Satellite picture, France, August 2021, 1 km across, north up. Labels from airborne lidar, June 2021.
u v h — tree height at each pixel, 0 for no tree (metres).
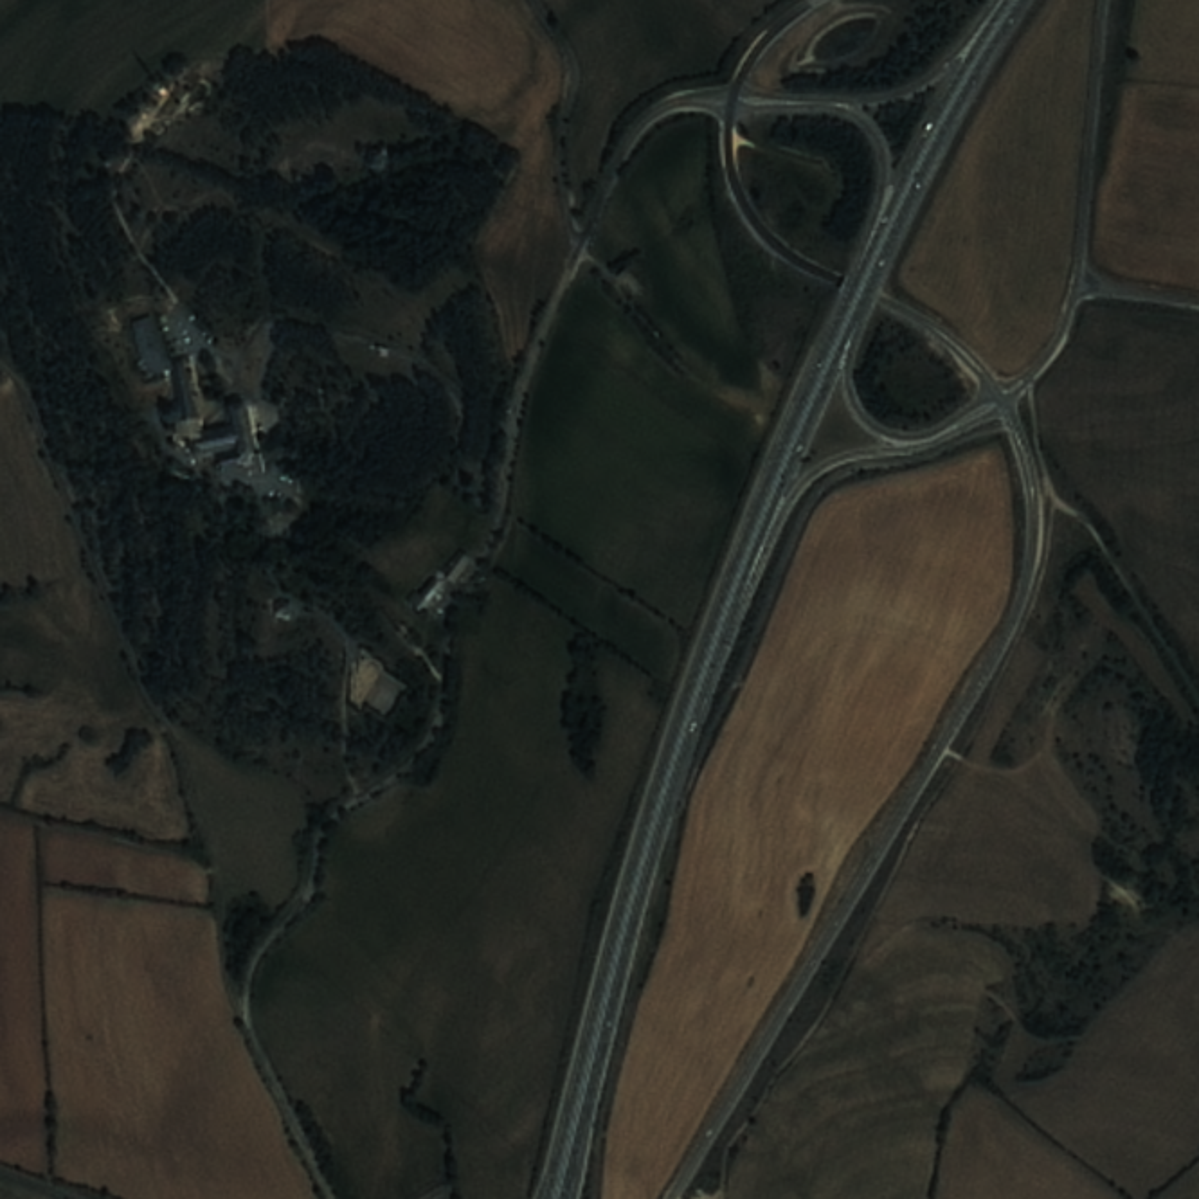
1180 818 9
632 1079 0
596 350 0
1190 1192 0
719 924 0
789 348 0
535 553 0
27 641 0
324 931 0
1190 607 0
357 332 0
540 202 0
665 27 0
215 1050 0
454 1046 0
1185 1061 0
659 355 9
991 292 0
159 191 0
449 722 10
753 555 0
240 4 0
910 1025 0
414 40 0
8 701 0
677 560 0
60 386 16
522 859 0
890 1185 0
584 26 0
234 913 7
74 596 0
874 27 0
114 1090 0
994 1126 0
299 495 0
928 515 0
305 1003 0
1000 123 0
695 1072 0
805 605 0
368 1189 0
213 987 0
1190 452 0
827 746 0
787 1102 0
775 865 0
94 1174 0
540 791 0
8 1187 0
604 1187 0
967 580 0
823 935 0
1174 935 0
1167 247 0
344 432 19
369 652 9
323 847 9
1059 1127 0
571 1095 0
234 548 13
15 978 0
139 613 18
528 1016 0
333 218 25
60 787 0
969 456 0
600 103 0
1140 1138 0
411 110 13
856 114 0
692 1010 0
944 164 0
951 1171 0
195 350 0
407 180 6
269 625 0
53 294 17
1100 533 8
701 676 0
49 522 0
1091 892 0
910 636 0
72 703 0
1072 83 0
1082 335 0
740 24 0
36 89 0
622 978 0
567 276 0
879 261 0
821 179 0
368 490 19
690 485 0
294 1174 0
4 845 0
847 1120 0
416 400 17
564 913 0
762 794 0
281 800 0
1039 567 0
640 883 0
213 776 0
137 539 19
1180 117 0
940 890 0
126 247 12
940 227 0
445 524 0
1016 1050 0
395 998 0
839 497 0
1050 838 0
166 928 0
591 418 0
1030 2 0
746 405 0
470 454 19
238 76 12
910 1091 0
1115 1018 0
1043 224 0
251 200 15
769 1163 0
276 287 16
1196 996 0
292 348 17
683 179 0
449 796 0
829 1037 0
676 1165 0
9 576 0
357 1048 0
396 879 0
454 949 0
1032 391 0
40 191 16
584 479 0
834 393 0
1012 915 0
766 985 0
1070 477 0
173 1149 0
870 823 0
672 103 0
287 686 15
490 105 0
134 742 11
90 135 16
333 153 0
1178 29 0
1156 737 7
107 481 18
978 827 0
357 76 15
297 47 12
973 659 0
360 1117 0
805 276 0
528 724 0
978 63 0
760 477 0
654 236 0
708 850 0
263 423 0
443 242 16
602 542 0
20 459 0
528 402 7
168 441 7
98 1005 0
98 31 0
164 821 0
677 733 0
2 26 0
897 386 0
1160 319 0
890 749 0
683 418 0
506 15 0
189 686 17
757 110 0
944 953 0
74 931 0
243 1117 0
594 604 0
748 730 0
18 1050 0
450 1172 11
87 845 0
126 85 0
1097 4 0
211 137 0
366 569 10
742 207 0
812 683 0
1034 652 0
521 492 0
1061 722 0
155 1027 0
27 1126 0
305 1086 0
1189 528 0
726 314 0
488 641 0
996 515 0
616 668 0
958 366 0
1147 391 0
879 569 0
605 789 0
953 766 0
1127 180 0
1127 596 8
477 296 13
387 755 16
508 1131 0
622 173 8
